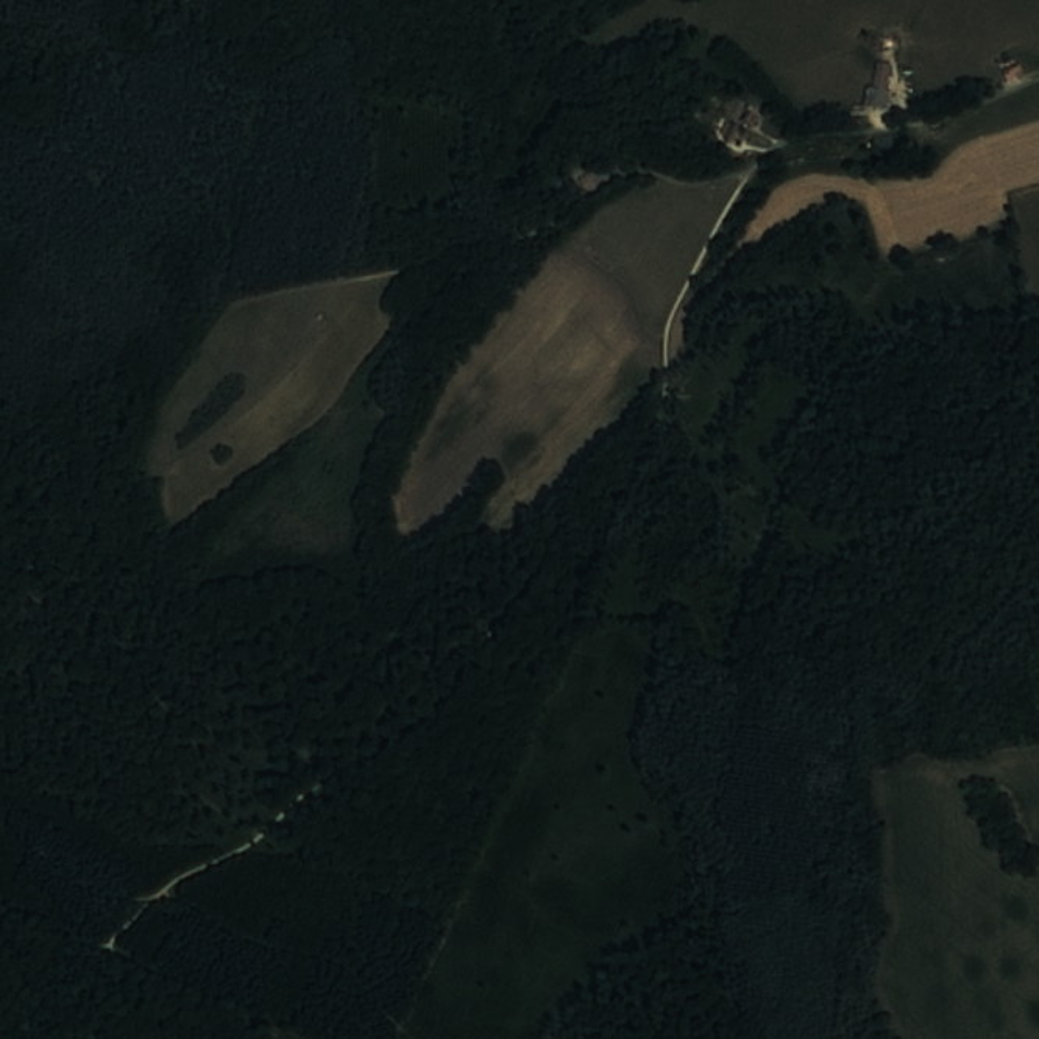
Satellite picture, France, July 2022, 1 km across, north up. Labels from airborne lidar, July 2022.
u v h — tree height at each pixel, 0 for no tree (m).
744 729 26
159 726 21
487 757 27
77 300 13
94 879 23
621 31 0
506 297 24
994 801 21
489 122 22
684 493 11
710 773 28
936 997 0
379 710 28
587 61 19
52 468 23
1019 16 0
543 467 0
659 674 26
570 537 29
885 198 0
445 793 27
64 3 22
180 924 19
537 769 0
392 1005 19
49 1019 23
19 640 17
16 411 21
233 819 19
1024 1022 0
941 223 0
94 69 11
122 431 19
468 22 24
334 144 15
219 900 12
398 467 23
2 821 13
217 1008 29
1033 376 22
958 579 27
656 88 24
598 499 20
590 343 0
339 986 18
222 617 27
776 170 16
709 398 0
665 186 0
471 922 0
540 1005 0
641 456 17
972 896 0
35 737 19
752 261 17
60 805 12
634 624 20
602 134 15
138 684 23
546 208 17
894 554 20
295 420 0
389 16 20
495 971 0
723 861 24
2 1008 22
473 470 0
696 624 23
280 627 25
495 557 20
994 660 27
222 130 12
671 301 0
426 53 20
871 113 0
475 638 29
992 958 0
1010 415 25
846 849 21
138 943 14
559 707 0
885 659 22
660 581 9
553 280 0
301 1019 19
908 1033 0
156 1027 27
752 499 0
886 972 0
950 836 0
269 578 20
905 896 0
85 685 17
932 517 19
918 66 0
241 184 11
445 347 28
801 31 0
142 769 19
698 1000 30
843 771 14
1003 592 27
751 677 21
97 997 26
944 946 0
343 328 0
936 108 18
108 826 18
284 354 0
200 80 11
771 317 16
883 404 29
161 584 20
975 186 0
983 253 0
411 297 17
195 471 0
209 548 14
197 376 0
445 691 27
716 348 14
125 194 11
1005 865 10
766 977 23
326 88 13
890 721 20
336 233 13
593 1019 22
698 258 0
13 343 16
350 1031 19
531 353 0
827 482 25
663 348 0
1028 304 24
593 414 0
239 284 10
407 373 23
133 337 13
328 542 0
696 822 24
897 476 26
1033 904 0
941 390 29
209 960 17
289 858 9
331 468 8
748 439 0
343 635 21
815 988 17
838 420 25
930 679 20
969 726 17
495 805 28
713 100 0
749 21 0
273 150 12
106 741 16
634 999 27
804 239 14
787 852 20
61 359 15
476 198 24
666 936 23
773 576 29
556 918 0
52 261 13
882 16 0
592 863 0
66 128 10
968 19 0
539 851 0
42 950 28
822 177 0
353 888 8
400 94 20
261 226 14
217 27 19
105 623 20
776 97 15
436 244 17
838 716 18
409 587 22
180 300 12
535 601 23
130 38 16
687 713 24
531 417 0
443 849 25
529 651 28
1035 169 0
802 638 17
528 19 18
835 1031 18
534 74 20
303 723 26
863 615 22
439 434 0
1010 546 20
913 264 26
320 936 11
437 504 0
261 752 19
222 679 22
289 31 21
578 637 22
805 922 19
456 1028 0
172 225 15
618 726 0
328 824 28
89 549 19
